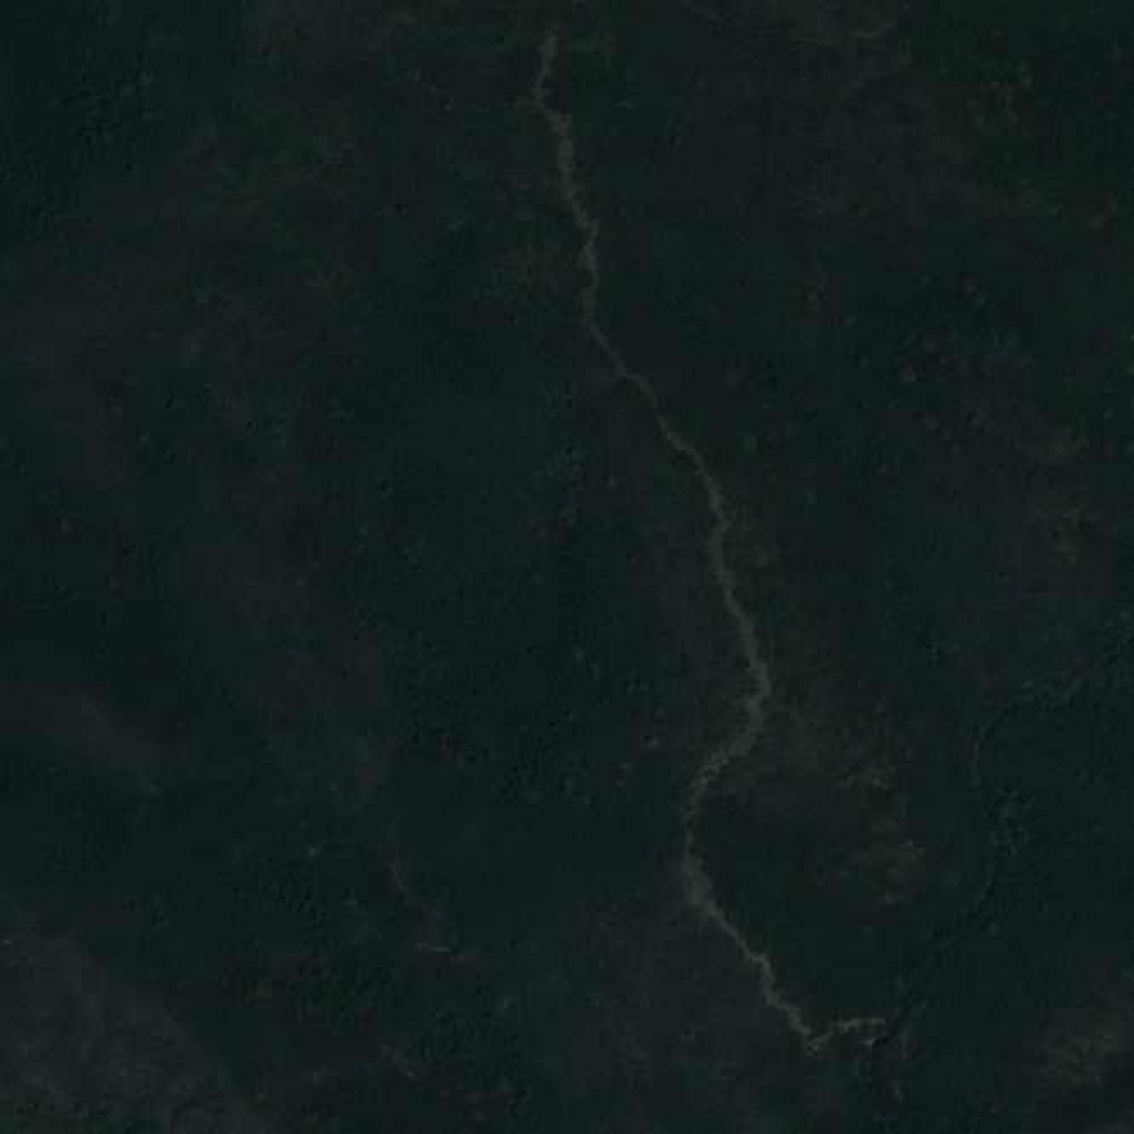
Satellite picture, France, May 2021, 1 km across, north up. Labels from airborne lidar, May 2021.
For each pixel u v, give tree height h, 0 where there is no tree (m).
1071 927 8
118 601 7
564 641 8
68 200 8
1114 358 6
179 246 7
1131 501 6
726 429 6
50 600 17
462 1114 6
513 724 8
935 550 5
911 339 11
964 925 16
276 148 6
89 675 6
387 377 7
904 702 7
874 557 9
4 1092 13
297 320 6
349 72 6
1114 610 8
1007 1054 6
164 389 9
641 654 7
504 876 7
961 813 6
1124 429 7
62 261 12
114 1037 6
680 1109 7
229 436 6
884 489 7
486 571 7
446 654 8
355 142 7
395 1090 6
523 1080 6
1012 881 8
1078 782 6
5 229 6
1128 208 8
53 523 6
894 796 7
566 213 6
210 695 10
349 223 8
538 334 6
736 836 7
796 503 7
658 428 6
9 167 8
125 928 6
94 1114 7
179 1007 7
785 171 7
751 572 7
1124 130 9
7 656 6
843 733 10
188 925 7
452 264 11
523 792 13
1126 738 9
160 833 6
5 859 6
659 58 6
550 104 6
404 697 8
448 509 7
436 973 7
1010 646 6
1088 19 5
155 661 7
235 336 5
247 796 5
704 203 6
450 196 6
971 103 10
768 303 6
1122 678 10
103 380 7
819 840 5
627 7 6
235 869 7
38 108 6
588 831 10
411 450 5
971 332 6
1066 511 8
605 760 7
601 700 8
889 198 5
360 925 7
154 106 6
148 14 6
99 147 12
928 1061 6
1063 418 5
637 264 6
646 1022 0
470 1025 7
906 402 8
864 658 8
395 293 8
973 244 6
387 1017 6
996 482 5
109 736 0
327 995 16
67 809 8
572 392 7
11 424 6
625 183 10
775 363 16
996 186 5
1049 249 6
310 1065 6
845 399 7
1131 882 9
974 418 10
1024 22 7
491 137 6
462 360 11
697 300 15
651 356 6
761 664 0
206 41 8
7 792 15
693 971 7
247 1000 13
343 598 10
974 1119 10
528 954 6
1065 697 11
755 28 6
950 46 7
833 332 6
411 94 7
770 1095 6
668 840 8
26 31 7
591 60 6
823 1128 6
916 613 13
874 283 7
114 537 7
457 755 7
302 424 6
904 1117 11
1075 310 6
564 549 9
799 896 6
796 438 9
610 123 7
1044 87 8
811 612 6
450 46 6
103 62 7
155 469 7
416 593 7
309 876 8
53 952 0
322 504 5
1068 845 7
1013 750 7
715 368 7
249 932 7
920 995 8
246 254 9
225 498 5
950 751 6
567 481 6
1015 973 6
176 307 6
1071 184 6
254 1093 9
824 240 7
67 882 7
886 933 6
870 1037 6
